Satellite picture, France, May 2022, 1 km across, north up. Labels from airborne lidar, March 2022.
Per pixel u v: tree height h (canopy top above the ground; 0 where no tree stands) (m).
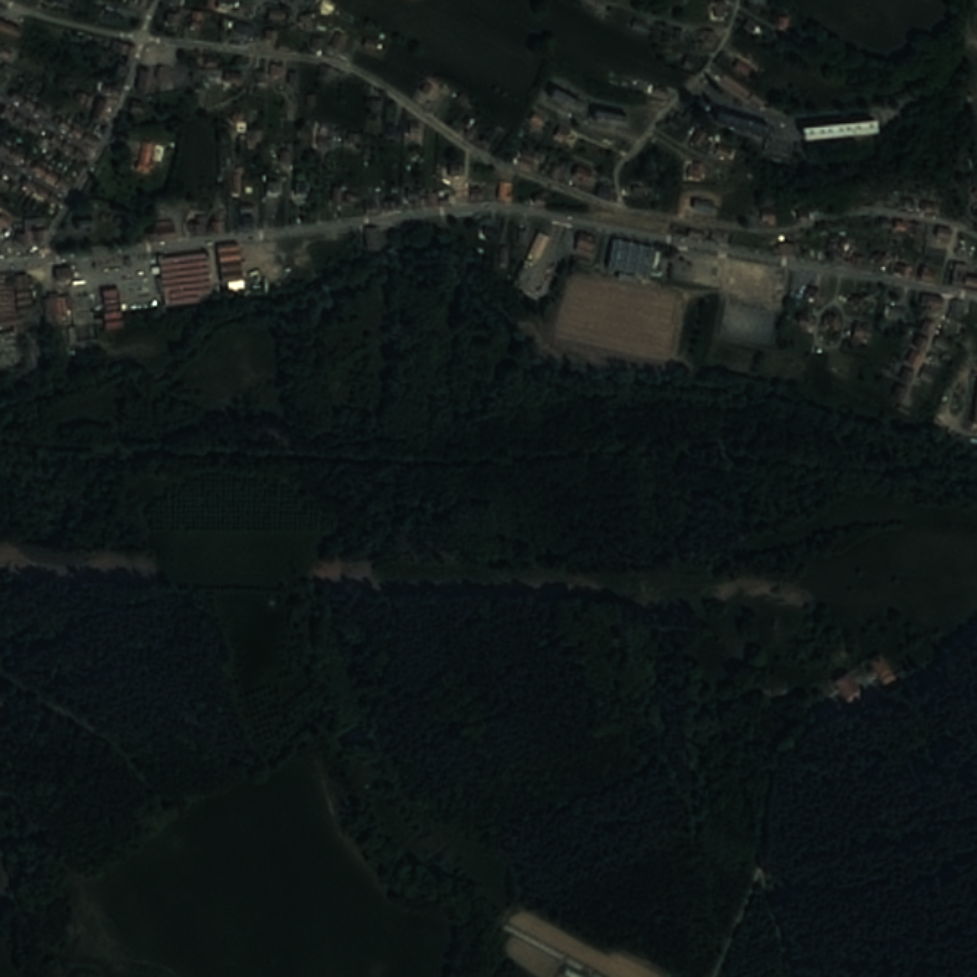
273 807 0
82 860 16
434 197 0
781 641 0
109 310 0
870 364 0
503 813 23
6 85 0
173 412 13
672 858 13
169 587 24
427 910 21
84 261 0
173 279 0
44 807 16
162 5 6
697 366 0
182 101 6
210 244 0
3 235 0
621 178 0
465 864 0
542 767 21
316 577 6
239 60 7
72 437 9
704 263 0
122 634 29
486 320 14
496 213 0
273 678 0
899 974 34
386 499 15
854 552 0
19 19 0
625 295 0
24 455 13
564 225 0
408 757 20
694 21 0
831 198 22
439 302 21
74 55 8
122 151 12
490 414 21
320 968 0
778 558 11
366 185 0
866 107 22
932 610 0
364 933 0
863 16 0
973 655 28
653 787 29
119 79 10
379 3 0
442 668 23
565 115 0
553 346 0
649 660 18
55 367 19
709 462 23
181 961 0
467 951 20
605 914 16
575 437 16
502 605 24
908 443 23
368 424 20
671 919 14
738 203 0
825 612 12
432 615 24
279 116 0
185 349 16
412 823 9
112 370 20
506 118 0
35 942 20
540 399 22
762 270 0
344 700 18
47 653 29
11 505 24
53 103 0
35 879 20
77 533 25
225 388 0
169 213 0
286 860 0
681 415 17
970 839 33
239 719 14
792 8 7
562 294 0
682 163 0
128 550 24
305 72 0
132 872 0
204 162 0
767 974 9
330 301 22
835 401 0
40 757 16
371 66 0
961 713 33
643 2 15
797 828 29
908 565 0
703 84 0
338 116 0
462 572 0
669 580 0
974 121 17
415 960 0
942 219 0
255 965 0
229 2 0
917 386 0
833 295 0
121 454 16
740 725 21
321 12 0
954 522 0
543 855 29
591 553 25
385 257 20
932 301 0
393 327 25
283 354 12
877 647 0
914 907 33
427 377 19
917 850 34
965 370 0
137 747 21
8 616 24
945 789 33
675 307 0
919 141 21
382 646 21
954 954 31
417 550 27
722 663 0
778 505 24
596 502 17
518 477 18
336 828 0
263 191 0
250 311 18
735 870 16
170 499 6
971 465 23
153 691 25
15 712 18
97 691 29
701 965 11
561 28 0
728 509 26
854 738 32
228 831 0
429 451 19
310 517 6
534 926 0
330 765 6
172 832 0
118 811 23
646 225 0
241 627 0
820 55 16
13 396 20
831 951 29
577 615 25
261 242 0
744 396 18
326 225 0
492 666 23
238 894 0
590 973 0
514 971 14
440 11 0
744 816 14
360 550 15
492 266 9
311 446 17
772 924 9
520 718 25
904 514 0
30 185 0
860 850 31
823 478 16
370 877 0
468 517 27
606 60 0
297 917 0
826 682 0
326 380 16
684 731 20
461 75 0
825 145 16
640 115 0
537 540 17
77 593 23
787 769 26
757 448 24
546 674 26
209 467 7
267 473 12
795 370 0
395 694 30
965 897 34
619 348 0
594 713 24
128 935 0
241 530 7
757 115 0
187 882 0
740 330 0
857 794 28
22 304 0
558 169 0
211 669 24
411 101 0
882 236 0
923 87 21
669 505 15
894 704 7
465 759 25
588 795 28
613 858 22
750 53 0
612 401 15
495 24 0
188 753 25
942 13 0
